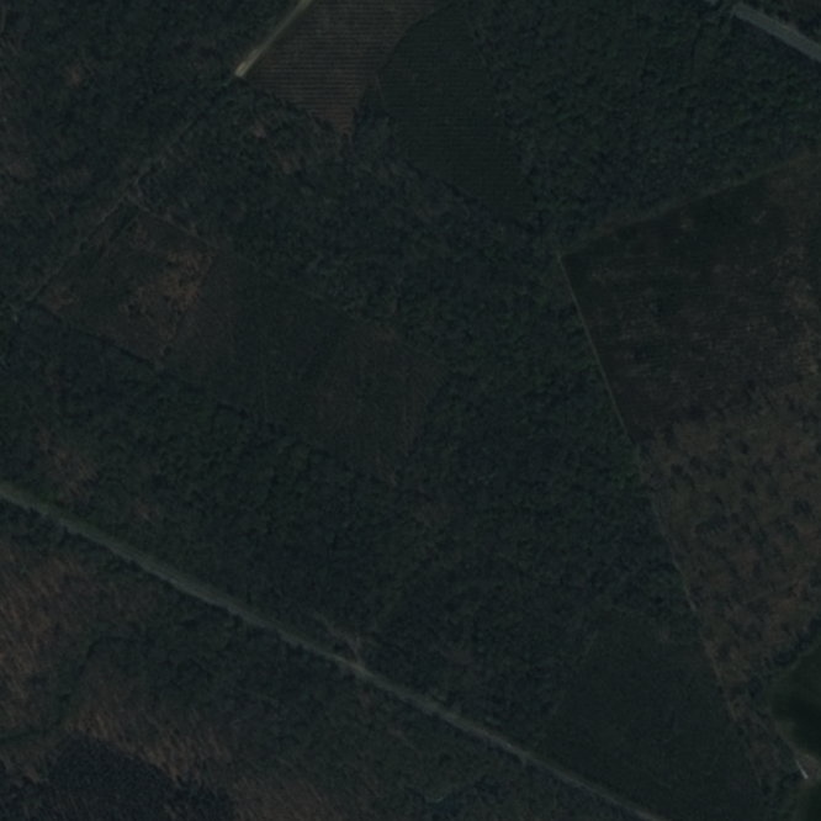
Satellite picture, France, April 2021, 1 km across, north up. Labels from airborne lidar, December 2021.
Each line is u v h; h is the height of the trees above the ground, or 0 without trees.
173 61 25
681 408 0
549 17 17
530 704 22
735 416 22
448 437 17
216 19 27
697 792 16
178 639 18
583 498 24
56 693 18
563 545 20
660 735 16
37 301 10
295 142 22
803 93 23
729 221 0
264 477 22
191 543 18
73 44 22
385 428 15
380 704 26
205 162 20
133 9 27
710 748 19
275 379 16
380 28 0
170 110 17
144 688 21
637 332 0
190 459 23
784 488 0
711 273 0
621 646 16
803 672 0
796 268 0
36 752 22
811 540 0
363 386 16
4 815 14
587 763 14
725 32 13
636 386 0
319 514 22
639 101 15
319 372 11
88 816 17
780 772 23
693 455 0
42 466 18
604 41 19
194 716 28
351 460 17
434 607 24
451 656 20
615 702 17
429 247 20
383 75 6
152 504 22
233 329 15
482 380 28
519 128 18
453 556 23
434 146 7
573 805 26
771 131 22
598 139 22
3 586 26
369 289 23
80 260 9
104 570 19
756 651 23
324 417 15
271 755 24
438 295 23
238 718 29
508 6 21
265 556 26
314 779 26
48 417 22
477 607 20
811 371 0
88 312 10
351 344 16
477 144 8
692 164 15
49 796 17
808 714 0
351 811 24
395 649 20
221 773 23
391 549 22
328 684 24
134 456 26
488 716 25
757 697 24
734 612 28
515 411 21
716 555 28
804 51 0
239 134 16
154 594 16
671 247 0
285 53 0
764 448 0
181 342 16
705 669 19
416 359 16
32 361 22
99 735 21
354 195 21
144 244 9
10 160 22
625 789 13
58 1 25
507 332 22
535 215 10
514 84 19
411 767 23
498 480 25
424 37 6
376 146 19
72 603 20
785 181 0
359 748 17
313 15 0
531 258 22
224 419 23
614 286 0
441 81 7
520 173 7
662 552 20
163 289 7
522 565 11
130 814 18
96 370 21
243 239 0
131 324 7
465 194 6
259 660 19
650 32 19
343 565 25
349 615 19
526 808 29
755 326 0
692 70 19
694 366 0
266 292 16
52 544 21
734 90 19
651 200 19
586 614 24
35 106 17
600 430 25
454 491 22
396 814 23
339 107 0
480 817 25
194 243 9
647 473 23
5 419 19
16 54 24
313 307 16
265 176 20
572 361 19
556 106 23
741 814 14
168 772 19
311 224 26
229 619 23
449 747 26
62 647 26
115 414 21
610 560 27
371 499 23
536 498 22
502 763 27
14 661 29
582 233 23
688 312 0
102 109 22
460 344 25
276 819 21
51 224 13
